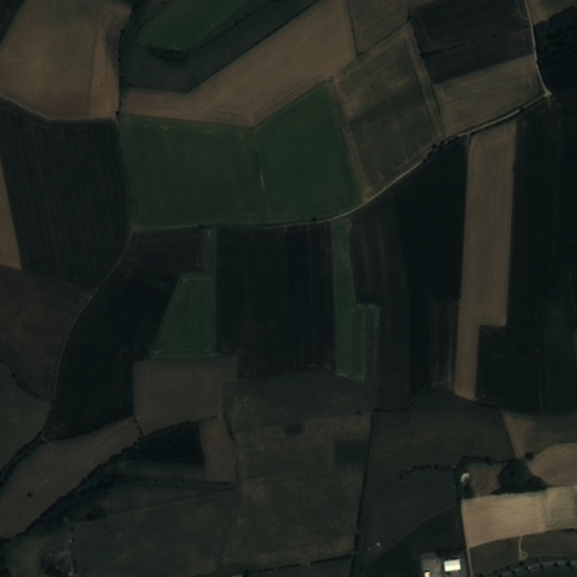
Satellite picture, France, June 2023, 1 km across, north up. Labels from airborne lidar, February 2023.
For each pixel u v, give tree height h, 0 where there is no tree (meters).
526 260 0
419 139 0
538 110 0
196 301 0
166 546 0
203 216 0
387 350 0
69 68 0
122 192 0
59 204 0
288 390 0
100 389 0
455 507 0
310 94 0
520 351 0
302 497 0
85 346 0
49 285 0
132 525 0
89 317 0
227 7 0
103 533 0
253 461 0
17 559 0
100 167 0
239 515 0
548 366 0
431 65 0
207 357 0
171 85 0
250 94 0
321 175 0
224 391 0
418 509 0
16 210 0
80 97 0
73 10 0
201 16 0
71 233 0
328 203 0
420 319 0
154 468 0
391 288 0
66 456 0
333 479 0
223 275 0
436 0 0
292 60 0
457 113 0
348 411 0
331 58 0
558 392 0
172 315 0
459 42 0
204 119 0
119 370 0
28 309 0
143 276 0
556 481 0
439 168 0
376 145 0
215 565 0
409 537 0
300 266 0
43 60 0
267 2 0
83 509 0
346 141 0
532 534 0
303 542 0
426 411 0
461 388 0
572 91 0
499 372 0
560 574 0
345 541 0
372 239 0
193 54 0
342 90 0
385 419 0
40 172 0
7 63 0
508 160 0
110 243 0
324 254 0
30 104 0
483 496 0
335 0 0
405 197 0
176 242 0
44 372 0
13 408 0
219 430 0
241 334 0
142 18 0
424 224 0
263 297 0
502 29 0
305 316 0
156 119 0
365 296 0
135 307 0
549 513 0
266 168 0
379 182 0
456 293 0
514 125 0
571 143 0
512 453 0
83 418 0
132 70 0
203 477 0
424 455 0
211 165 0
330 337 0
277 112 0
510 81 0
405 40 0
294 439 0
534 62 0
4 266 0
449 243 0
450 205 0
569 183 0
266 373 0
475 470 0
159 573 0
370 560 0
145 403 0
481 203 0
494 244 0
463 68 0
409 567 0
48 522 12
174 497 0
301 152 0
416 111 0
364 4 0
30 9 0
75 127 0
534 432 0
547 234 0
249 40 0
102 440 0
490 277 0
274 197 0
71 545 0
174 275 0
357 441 0
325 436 0
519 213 0
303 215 0
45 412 0
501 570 0
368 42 0
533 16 0
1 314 0
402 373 0
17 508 0
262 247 0
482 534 0
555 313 0
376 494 0
